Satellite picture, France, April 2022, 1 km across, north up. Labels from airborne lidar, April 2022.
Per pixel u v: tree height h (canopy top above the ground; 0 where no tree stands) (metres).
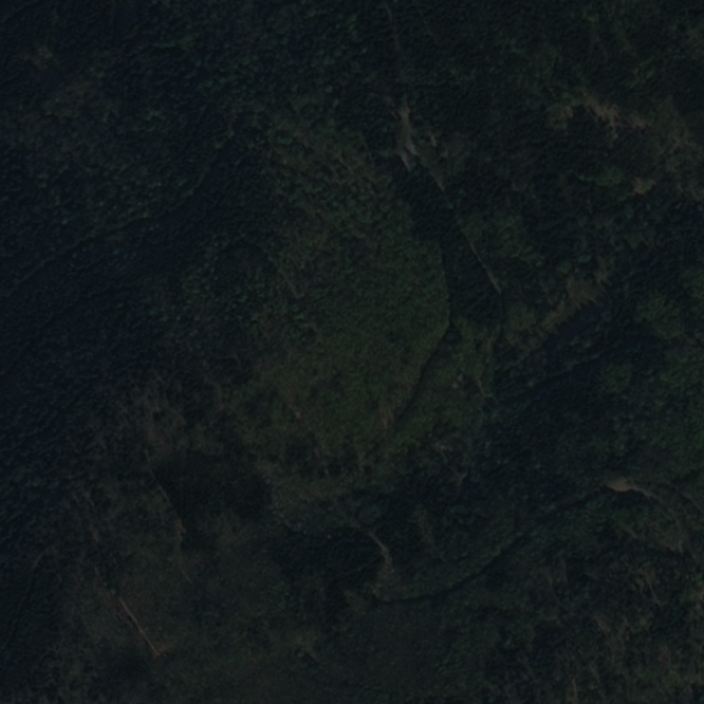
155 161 27
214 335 26
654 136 25
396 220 32
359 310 26
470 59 23
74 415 25
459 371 25
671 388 22
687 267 21
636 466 18
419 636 18
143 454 20
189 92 21
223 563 21
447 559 21
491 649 17
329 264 31
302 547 27
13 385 21
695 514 18
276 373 22
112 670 25
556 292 31
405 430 27
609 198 24
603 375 22
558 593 16
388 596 21
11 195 23
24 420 25
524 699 25
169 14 24
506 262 27
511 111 17
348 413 24
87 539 22
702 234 24
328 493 22
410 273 26
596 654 27
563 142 26
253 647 27
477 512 22
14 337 23
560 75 28
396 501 24
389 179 38
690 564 28
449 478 25
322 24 34
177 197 23
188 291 28
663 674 32
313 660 12
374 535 17
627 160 25
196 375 18
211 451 20
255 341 22
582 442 19
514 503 22
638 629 27
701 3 25
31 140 27
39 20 32
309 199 32
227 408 23
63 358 20
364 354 25
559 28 30
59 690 20
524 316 30
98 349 22
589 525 18
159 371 25
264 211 26
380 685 17
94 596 21
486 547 20
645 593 29
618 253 39
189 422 21
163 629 27
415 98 24
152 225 21
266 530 22
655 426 17
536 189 24
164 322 26
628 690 34
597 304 0
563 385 22
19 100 29
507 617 14
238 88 17
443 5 23
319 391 21
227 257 22
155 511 28
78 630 21
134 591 24
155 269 27
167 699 24
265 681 24
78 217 26
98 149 27
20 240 23
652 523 16
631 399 15
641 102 25
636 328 22
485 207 28
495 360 25
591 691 28
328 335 24
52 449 25
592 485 20
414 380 23
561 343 32
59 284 21
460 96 24
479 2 24
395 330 24
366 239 33
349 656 22
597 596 28
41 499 9
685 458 21
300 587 23
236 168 20
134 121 25
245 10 33
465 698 14
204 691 26
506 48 24
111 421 24
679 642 27
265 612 22
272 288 27
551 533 17
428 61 22
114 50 21
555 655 27
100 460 14
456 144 22
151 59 22
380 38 20
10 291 18
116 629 23
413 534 21
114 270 22
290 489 25
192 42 9
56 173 29
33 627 13
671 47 20
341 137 37
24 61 26
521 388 20
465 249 28
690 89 27
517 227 30
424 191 31
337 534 20
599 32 21
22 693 17
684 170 27
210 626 25
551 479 23
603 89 23
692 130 22
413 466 27
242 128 15
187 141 21
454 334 25
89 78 27
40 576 15
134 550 24
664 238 33
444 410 23
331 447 26
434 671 18
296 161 37
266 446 31
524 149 29
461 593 18
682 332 22
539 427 21
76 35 30
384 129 31
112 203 21
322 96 36
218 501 18
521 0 21
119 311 24
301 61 28
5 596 17
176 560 20
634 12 22
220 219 25
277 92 27
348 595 19
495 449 21
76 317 19
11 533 19
